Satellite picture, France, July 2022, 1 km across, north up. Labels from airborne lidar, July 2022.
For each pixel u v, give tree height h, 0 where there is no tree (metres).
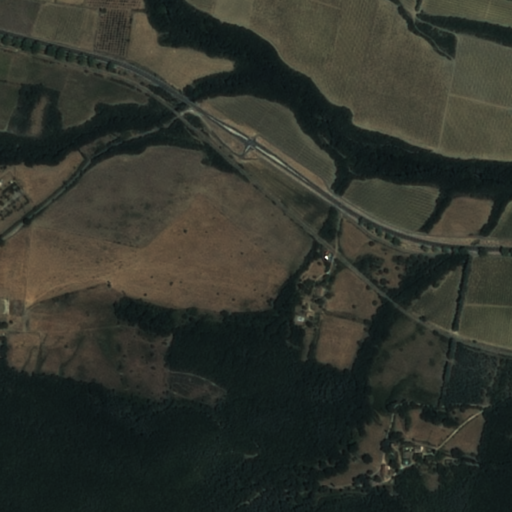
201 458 6
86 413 16
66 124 0
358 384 16
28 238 0
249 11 0
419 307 0
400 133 0
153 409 9
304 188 0
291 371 10
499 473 12
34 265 0
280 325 13
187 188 0
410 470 9
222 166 7
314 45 0
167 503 10
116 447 15
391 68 0
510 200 9
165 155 0
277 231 0
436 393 0
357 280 0
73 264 0
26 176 0
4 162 9
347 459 20
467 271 19
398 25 0
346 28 0
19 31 0
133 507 9
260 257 0
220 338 9
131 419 20
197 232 0
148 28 0
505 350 0
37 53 22
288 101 11
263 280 0
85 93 0
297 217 0
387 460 0
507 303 0
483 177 19
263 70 17
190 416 11
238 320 16
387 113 0
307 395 15
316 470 20
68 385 14
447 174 24
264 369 8
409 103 0
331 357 0
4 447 9
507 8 0
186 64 0
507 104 0
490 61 0
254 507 13
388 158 19
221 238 0
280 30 0
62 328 0
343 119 10
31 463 8
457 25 5
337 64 0
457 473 11
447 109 0
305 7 0
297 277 11
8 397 10
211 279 0
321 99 10
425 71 0
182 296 0
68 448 9
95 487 8
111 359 0
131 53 0
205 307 0
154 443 19
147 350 0
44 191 0
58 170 0
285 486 19
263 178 0
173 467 7
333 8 0
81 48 0
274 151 0
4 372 13
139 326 8
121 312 14
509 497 8
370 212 0
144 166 0
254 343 9
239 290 0
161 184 0
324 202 0
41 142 12
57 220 0
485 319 0
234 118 0
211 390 0
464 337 0
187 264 0
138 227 0
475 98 0
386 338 18
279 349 9
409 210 0
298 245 0
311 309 0
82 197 0
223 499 12
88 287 0
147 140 9
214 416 16
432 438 0
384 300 13
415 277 7
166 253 0
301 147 0
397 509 13
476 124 0
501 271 0
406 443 9
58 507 6
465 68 0
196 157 0
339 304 0
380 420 0
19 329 0
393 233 0
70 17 0
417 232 0
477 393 7
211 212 0
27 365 0
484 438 10
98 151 5
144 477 8
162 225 0
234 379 7
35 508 6
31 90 7
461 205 0
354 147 15
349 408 17
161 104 8
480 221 0
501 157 0
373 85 0
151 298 0
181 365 7
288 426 13
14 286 0
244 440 12
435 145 0
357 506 8
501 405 11
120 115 12
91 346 0
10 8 0
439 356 0
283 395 11
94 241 0
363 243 0
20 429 9
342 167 8
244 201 0
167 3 20
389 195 0
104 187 0
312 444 15
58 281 0
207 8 0
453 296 0
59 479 8
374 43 0
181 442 10
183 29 15
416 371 0
